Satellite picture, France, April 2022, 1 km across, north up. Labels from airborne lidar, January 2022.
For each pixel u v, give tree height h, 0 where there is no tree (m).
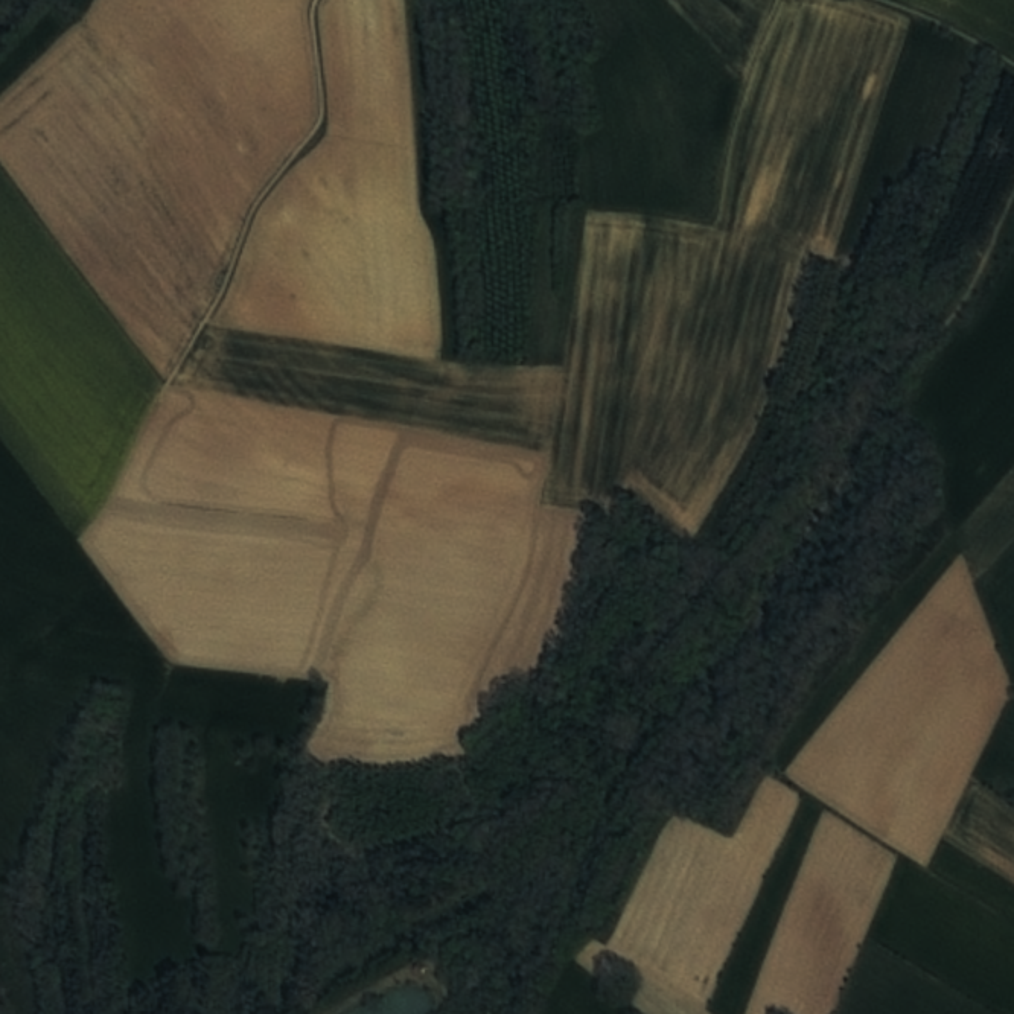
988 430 0
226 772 0
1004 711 0
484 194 23
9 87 0
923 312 30
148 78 0
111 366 0
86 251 0
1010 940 0
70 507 0
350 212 0
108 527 0
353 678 0
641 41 0
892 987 0
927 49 0
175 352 0
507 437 0
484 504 0
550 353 0
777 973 0
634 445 0
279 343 0
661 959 0
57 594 0
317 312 0
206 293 0
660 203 0
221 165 0
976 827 0
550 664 18
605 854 23
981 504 0
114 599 0
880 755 0
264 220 0
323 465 0
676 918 0
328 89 0
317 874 22
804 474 28
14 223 0
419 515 0
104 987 24
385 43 0
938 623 0
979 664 0
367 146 0
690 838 0
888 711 0
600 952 0
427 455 0
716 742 25
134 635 0
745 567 28
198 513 0
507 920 19
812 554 31
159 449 0
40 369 0
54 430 0
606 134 0
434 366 0
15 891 26
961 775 0
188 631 0
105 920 24
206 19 0
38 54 0
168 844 22
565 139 0
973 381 0
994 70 19
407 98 0
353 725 0
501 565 0
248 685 0
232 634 0
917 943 0
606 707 18
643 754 21
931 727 0
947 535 0
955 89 0
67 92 0
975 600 0
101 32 0
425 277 0
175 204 0
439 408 0
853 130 0
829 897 0
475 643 0
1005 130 15
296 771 10
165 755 25
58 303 0
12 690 0
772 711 22
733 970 0
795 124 0
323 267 0
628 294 0
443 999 0
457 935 22
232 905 0
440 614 0
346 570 0
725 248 0
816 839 0
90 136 0
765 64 0
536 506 0
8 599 0
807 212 0
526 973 24
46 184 0
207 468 0
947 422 0
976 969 0
